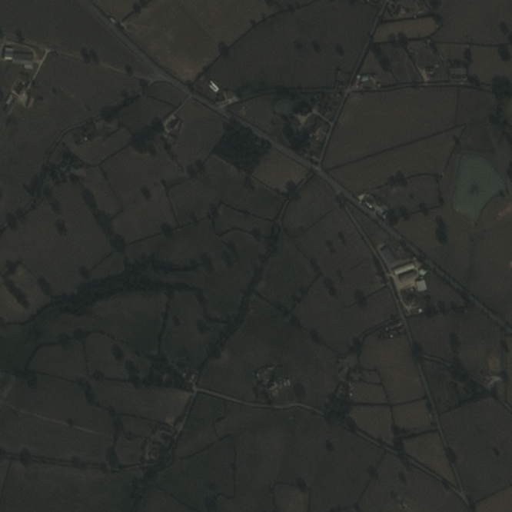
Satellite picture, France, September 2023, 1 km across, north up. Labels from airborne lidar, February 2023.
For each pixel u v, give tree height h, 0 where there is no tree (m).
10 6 0
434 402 0
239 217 0
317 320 0
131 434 6
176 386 7
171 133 0
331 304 0
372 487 0
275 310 13
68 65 0
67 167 9
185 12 0
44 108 0
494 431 0
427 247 0
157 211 0
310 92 0
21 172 0
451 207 0
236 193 0
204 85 0
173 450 6
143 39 0
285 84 0
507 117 0
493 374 0
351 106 0
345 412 8
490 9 0
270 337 0
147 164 0
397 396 0
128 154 0
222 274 0
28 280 0
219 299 0
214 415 0
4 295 0
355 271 0
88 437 0
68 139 0
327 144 0
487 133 0
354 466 0
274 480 0
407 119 0
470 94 0
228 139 7
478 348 0
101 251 0
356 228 0
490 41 0
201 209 0
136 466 0
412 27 0
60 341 10
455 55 0
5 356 0
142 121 0
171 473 0
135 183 0
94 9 0
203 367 7
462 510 0
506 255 0
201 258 0
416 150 0
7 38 0
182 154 0
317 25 0
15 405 0
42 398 0
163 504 0
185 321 0
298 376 0
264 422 0
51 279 0
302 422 0
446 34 0
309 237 0
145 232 0
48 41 0
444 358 0
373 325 0
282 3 0
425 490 0
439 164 0
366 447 0
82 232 0
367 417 0
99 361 0
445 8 0
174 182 0
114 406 0
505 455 0
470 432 0
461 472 0
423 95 0
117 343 0
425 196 0
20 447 0
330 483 0
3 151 0
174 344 0
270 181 0
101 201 0
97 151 0
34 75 0
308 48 0
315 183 0
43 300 0
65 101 0
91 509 0
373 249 0
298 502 0
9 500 0
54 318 0
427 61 0
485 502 0
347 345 0
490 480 0
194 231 0
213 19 0
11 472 0
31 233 0
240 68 0
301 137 7
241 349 0
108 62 0
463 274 0
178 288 11
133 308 0
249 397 0
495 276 0
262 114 0
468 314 0
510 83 17
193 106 0
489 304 0
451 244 0
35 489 0
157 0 0
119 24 0
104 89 0
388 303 0
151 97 0
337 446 0
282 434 0
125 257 14
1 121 0
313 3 0
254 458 0
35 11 0
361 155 0
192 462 0
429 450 0
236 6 0
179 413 0
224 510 0
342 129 0
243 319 9
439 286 0
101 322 0
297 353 0
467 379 12
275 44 0
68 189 0
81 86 0
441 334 0
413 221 0
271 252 21
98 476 0
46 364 0
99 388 0
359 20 0
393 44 14
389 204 0
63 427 0
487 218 0
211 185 0
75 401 0
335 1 0
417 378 0
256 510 0
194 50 0
